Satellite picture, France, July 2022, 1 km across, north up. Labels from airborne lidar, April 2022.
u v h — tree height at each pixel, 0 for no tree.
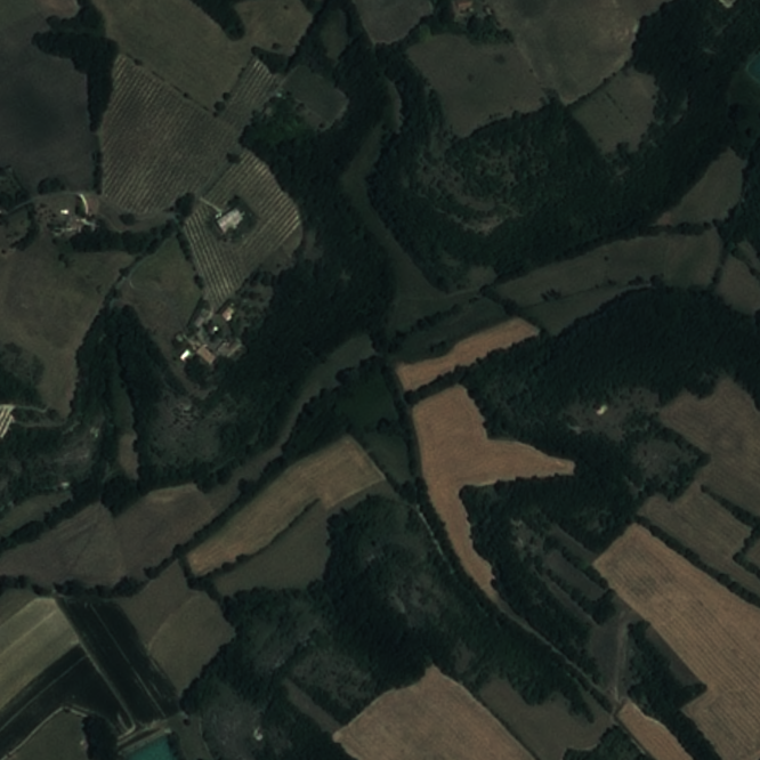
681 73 16
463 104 0
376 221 0
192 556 0
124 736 0
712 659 0
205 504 0
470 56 0
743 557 6
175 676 0
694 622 0
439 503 0
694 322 13
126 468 0
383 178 15
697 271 0
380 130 0
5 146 0
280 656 0
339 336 26
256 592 11
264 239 0
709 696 0
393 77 15
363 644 10
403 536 0
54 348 0
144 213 0
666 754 0
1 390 7
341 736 0
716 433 0
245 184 0
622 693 0
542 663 11
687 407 0
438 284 9
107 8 0
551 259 6
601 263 0
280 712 6
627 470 10
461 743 0
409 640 19
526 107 0
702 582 0
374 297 17
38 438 10
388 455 0
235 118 0
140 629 0
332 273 8
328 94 0
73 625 0
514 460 0
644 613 0
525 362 15
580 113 0
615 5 0
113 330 15
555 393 6
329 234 10
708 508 0
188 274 0
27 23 0
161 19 0
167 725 0
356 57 14
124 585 20
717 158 15
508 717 0
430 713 0
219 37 0
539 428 6
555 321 0
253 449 14
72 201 0
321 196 14
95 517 0
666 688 14
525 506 8
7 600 0
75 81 0
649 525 7
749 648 0
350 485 0
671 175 11
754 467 0
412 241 17
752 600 7
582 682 10
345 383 30
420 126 10
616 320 24
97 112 13
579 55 0
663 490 8
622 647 0
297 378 17
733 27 10
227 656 14
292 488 0
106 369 18
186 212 14
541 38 0
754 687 0
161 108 0
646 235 12
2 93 0
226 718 0
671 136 12
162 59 0
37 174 0
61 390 0
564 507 10
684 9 12
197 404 6
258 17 0
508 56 0
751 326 20
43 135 0
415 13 0
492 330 0
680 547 10
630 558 0
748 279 0
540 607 9
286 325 16
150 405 8
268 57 13
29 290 0
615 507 14
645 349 15
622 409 0
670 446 0
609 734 12
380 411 0
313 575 0
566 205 10
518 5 0
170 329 0
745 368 15
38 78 0
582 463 9
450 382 14
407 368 0
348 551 10
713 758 13
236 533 0
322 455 0
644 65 10
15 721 0
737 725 0
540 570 8
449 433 0
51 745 0
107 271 0
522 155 6
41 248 0
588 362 16
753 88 0
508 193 9
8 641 0
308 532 0
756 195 8
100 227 10
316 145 10
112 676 0
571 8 0
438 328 0
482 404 13
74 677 0
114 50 12
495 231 7
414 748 0
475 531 10
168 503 0
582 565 12
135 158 0
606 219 9
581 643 6
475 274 0
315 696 7
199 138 0
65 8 0
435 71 0
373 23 0
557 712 0
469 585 14
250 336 13
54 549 0
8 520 0
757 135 14
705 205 0
